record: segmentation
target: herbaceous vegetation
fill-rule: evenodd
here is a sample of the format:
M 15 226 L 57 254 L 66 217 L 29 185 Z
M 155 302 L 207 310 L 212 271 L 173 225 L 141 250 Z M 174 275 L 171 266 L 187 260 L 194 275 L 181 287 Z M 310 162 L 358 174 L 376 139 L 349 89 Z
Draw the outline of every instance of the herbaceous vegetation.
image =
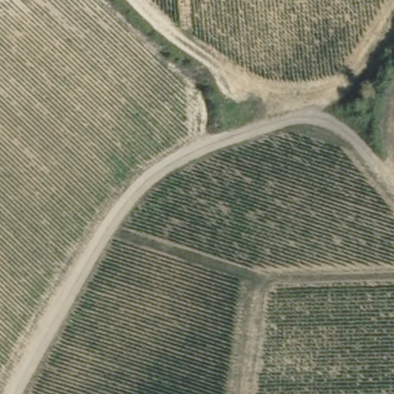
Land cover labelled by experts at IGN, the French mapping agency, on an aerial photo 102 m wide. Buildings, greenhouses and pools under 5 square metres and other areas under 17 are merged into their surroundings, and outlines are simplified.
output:
M 382 132 L 382 148 L 386 151 L 386 157 L 394 163 L 394 66 L 386 71 L 383 80 L 385 106 L 382 120 L 374 126 Z
M 394 214 L 394 194 L 389 192 L 386 183 L 377 177 L 368 163 L 351 143 L 343 140 L 336 132 L 322 126 L 303 123 L 289 126 L 292 131 L 309 137 L 312 142 L 339 146 L 351 159 L 352 165 L 362 172 L 365 182 L 379 192 Z
M 257 394 L 259 372 L 263 368 L 266 328 L 277 329 L 277 325 L 268 319 L 268 302 L 272 292 L 279 288 L 299 286 L 394 285 L 394 263 L 254 266 L 252 272 L 260 275 L 257 279 L 257 288 L 246 280 L 240 282 L 225 394 Z

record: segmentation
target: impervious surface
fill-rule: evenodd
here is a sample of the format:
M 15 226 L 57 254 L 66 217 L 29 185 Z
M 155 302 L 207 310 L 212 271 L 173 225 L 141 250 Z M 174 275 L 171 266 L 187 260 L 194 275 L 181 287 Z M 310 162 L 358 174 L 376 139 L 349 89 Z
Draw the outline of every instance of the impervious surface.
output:
M 100 255 L 111 242 L 112 235 L 119 229 L 120 223 L 134 208 L 135 203 L 139 202 L 140 197 L 169 172 L 191 160 L 199 159 L 208 152 L 217 151 L 225 146 L 255 139 L 257 135 L 268 134 L 275 129 L 289 126 L 303 123 L 322 126 L 336 132 L 343 140 L 351 143 L 368 163 L 376 155 L 360 139 L 356 131 L 352 131 L 342 120 L 326 112 L 312 111 L 311 106 L 303 106 L 299 109 L 286 109 L 288 114 L 283 117 L 262 120 L 254 120 L 248 125 L 229 131 L 209 134 L 205 139 L 177 149 L 146 169 L 137 179 L 132 180 L 125 194 L 109 209 L 105 219 L 95 226 L 95 232 L 86 243 L 85 251 L 66 272 L 65 280 L 55 289 L 55 294 L 49 300 L 43 316 L 38 320 L 37 329 L 25 348 L 25 356 L 12 368 L 3 394 L 23 394 L 38 363 L 45 356 L 46 349 L 65 322 L 75 297 L 80 294 L 80 289 L 88 280 L 95 262 L 100 259 Z

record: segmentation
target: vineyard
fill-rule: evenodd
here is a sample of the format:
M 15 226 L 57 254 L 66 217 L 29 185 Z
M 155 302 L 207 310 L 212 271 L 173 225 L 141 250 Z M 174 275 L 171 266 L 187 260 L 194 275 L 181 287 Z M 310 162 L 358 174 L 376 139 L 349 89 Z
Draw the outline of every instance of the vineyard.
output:
M 80 289 L 80 294 L 75 297 L 65 322 L 46 349 L 45 356 L 38 363 L 23 394 L 225 394 L 240 282 L 246 280 L 257 288 L 257 279 L 260 275 L 252 272 L 254 266 L 394 263 L 394 214 L 379 192 L 365 182 L 362 172 L 352 165 L 351 159 L 339 146 L 312 142 L 309 137 L 292 131 L 289 126 L 275 129 L 268 134 L 257 135 L 255 139 L 225 146 L 217 151 L 208 152 L 199 159 L 191 160 L 169 172 L 140 197 L 139 202 L 135 203 L 134 208 L 120 223 L 119 229 L 112 235 L 111 242 L 100 255 L 100 259 L 95 262 L 88 280 Z
M 288 82 L 342 75 L 346 68 L 351 69 L 354 74 L 360 74 L 366 68 L 369 52 L 376 48 L 377 43 L 391 28 L 391 17 L 394 14 L 394 0 L 152 0 L 163 14 L 171 18 L 175 28 L 186 37 L 191 40 L 199 38 L 202 42 L 214 46 L 234 65 L 242 66 L 251 74 L 268 80 Z
M 186 77 L 185 72 L 175 63 L 162 57 L 157 46 L 149 42 L 149 38 L 139 29 L 135 29 L 126 20 L 125 15 L 112 8 L 108 0 L 0 0 L 0 394 L 3 394 L 12 368 L 25 356 L 25 348 L 37 329 L 38 320 L 43 316 L 49 300 L 55 294 L 55 289 L 65 280 L 66 272 L 85 251 L 86 243 L 95 232 L 95 226 L 105 219 L 109 209 L 125 194 L 132 180 L 137 179 L 146 169 L 177 149 L 205 139 L 209 134 L 206 131 L 208 112 L 205 100 L 202 92 L 195 89 L 194 80 Z
M 268 319 L 277 325 L 277 329 L 266 328 L 263 368 L 259 372 L 257 394 L 394 394 L 394 285 L 299 286 L 279 288 L 272 292 L 268 302 Z

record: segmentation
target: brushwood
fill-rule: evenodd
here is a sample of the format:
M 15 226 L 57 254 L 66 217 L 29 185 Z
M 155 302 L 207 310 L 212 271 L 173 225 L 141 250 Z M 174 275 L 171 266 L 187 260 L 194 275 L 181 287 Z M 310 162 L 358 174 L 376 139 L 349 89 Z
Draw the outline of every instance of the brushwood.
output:
M 206 66 L 189 57 L 182 49 L 166 40 L 160 32 L 155 31 L 126 0 L 108 0 L 112 8 L 125 15 L 126 20 L 135 29 L 139 29 L 149 38 L 149 42 L 157 46 L 162 57 L 175 63 L 185 72 L 186 77 L 194 80 L 195 89 L 202 92 L 205 100 L 208 112 L 206 131 L 209 134 L 229 131 L 248 125 L 254 120 L 262 120 L 266 108 L 262 98 L 249 94 L 246 100 L 234 102 L 232 98 L 225 97 L 215 85 L 214 75 Z
M 382 132 L 374 126 L 382 120 L 385 106 L 383 80 L 386 71 L 394 66 L 394 14 L 391 17 L 391 28 L 377 43 L 376 48 L 369 52 L 366 68 L 360 74 L 354 74 L 351 69 L 346 68 L 342 75 L 348 80 L 348 86 L 337 89 L 339 98 L 326 106 L 326 112 L 342 120 L 352 131 L 356 131 L 360 139 L 376 155 L 382 160 L 386 157 L 386 151 L 382 148 Z

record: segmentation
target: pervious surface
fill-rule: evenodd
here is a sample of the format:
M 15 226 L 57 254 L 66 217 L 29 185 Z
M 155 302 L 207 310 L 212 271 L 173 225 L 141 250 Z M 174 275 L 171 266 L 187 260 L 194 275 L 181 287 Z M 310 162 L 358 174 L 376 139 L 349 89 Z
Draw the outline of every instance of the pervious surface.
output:
M 382 160 L 376 155 L 368 163 L 377 177 L 386 183 L 389 192 L 394 194 L 394 163 L 386 157 Z
M 348 86 L 348 80 L 342 75 L 288 82 L 268 80 L 251 74 L 242 66 L 234 65 L 214 46 L 202 42 L 199 38 L 191 40 L 186 37 L 175 28 L 171 18 L 163 14 L 152 0 L 126 0 L 155 31 L 160 32 L 166 40 L 182 49 L 189 57 L 206 66 L 214 75 L 215 85 L 225 97 L 232 98 L 234 102 L 246 100 L 249 94 L 262 98 L 266 108 L 262 120 L 283 117 L 288 114 L 286 109 L 299 109 L 303 106 L 311 106 L 312 111 L 326 112 L 326 106 L 339 98 L 337 89 Z

